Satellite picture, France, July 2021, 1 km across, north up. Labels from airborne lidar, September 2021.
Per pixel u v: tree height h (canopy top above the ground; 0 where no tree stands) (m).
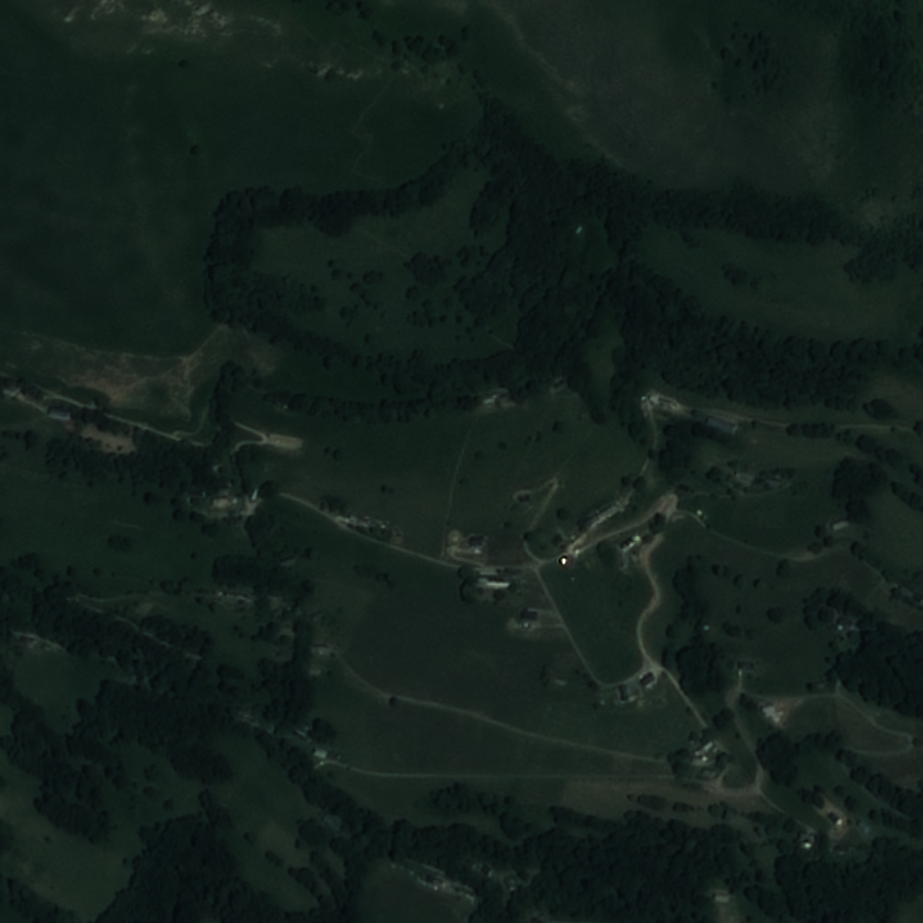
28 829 0
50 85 0
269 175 0
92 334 0
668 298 25
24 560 13
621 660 0
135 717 24
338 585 0
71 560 0
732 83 0
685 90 0
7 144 0
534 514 0
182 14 0
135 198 0
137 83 0
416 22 0
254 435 0
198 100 0
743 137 0
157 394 0
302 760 21
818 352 26
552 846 26
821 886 25
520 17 0
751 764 0
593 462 0
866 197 6
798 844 9
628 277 11
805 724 0
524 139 22
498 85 0
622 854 25
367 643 0
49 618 23
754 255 0
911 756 0
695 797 0
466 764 0
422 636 0
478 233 15
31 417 0
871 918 9
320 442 0
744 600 0
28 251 0
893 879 26
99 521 0
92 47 0
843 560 0
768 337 17
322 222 19
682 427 9
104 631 20
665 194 7
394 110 0
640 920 16
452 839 26
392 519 0
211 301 18
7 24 0
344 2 22
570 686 0
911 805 28
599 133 0
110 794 0
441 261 17
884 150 0
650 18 0
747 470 6
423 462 0
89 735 23
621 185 19
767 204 11
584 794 0
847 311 0
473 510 0
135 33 0
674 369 23
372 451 0
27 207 0
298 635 16
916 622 0
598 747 0
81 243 0
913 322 0
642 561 0
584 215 13
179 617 0
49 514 0
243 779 0
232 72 0
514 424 0
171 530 0
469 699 0
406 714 0
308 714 16
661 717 0
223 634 0
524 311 15
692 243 20
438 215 0
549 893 15
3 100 0
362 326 0
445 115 0
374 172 0
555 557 0
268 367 0
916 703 28
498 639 0
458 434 0
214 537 13
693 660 26
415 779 0
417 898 0
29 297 0
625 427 15
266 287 21
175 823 15
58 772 21
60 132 0
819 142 0
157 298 0
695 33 0
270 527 8
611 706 0
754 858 7
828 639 0
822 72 0
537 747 0
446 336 0
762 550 0
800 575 0
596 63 0
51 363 0
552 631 0
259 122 0
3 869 0
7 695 17
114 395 0
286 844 0
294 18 0
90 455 11
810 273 0
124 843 0
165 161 0
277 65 0
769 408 20
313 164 0
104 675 0
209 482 14
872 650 26
